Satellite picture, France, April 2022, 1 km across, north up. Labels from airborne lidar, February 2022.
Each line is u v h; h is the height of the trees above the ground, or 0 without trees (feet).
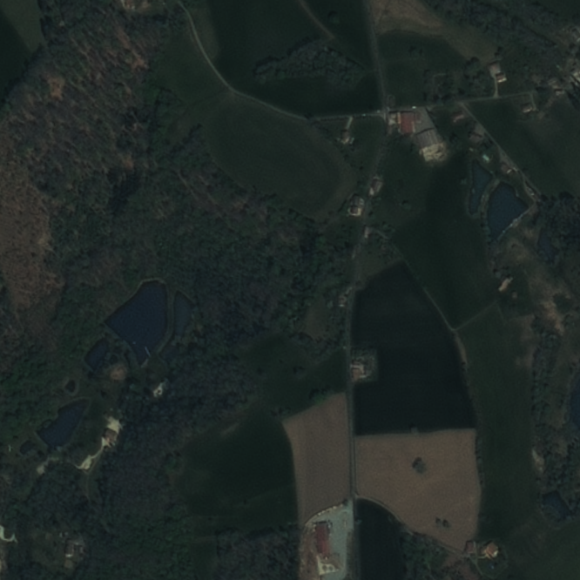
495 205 0
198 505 0
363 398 0
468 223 0
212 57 0
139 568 85
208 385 94
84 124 94
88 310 93
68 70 102
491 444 0
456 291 0
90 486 0
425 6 0
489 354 0
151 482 100
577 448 23
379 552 0
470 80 59
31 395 69
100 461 0
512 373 0
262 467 0
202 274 76
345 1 0
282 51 0
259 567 80
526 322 0
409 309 0
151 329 0
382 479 0
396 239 0
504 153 0
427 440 0
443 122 0
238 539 74
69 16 94
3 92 0
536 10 69
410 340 0
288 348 0
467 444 0
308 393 0
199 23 0
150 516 91
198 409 84
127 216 62
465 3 80
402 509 0
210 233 62
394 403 0
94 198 88
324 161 0
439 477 0
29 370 57
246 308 76
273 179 0
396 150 0
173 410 81
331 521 0
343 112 0
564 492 48
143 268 70
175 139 0
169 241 26
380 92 0
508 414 0
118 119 96
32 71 93
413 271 21
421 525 0
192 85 0
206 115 0
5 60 0
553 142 0
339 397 0
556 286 0
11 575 24
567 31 0
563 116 0
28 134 103
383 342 0
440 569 0
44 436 0
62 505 89
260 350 0
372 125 0
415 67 0
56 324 82
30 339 32
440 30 0
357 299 0
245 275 79
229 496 0
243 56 0
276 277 109
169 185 58
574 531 0
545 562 0
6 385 73
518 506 0
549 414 40
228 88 0
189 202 71
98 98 96
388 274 0
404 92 0
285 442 0
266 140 0
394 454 0
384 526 0
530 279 0
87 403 0
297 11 0
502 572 0
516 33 59
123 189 46
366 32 0
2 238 0
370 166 0
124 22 94
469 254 0
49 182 90
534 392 45
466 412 0
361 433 0
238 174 0
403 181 0
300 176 0
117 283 81
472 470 0
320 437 0
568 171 0
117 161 89
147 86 93
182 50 0
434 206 0
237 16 0
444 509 0
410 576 80
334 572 0
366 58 0
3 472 74
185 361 78
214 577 0
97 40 94
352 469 0
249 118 0
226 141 0
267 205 83
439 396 0
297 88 0
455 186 0
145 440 80
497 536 0
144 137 96
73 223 52
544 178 0
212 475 0
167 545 87
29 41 0
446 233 0
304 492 0
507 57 0
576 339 0
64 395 69
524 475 0
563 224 74
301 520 0
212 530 0
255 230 94
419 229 0
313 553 0
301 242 79
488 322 0
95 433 0
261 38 0
